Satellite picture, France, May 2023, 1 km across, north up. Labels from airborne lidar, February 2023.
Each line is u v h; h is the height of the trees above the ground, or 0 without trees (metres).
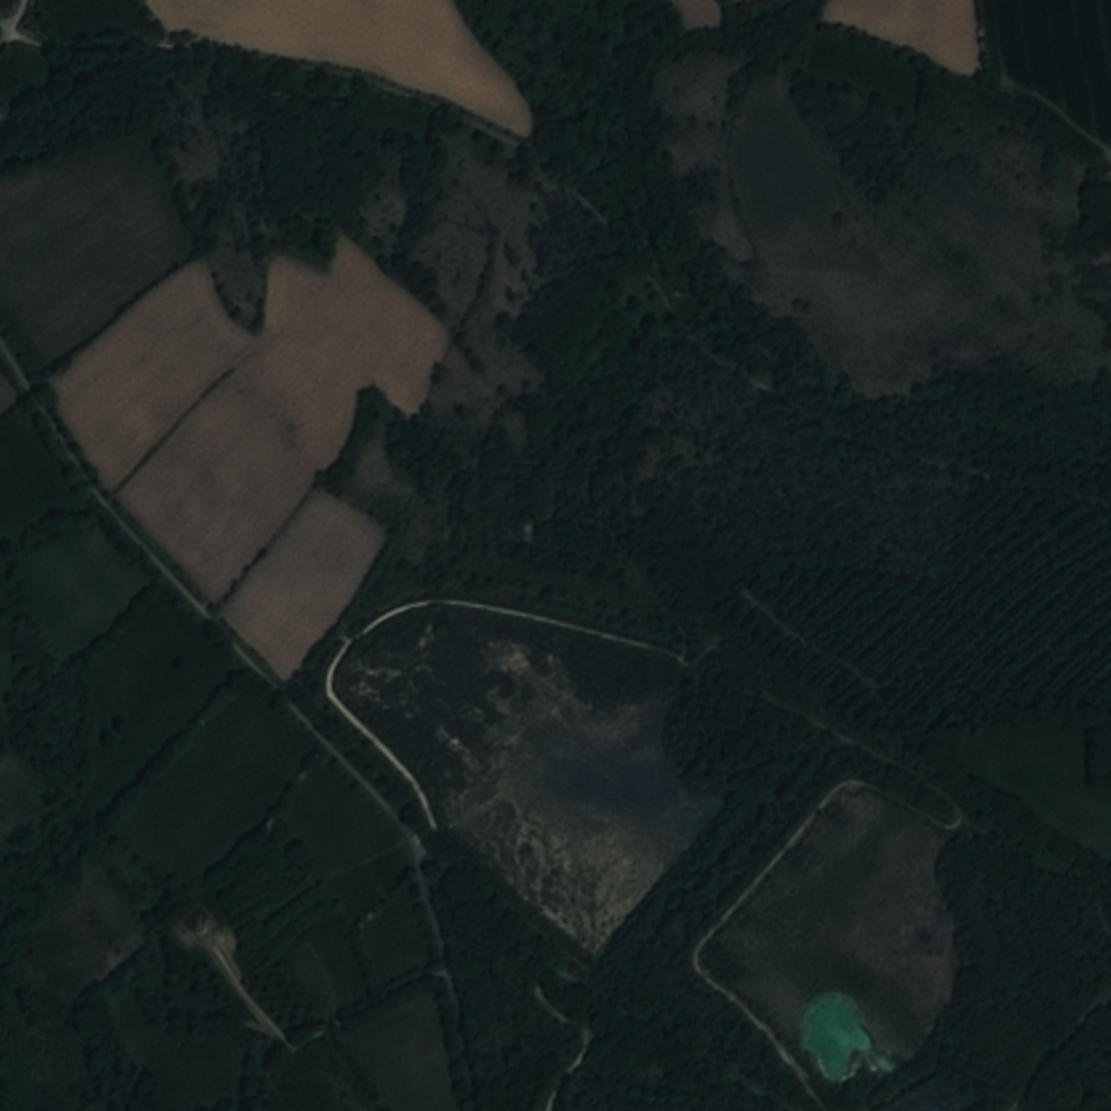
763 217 0
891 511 18
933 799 11
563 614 7
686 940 12
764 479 18
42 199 0
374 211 0
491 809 0
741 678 11
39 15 8
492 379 0
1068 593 16
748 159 0
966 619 19
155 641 0
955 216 0
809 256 0
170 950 11
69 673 14
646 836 0
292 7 0
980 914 16
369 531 0
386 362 0
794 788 13
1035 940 14
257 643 0
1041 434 17
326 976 0
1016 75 0
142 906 0
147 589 8
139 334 0
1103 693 17
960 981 12
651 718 0
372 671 0
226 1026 19
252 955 6
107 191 0
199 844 0
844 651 22
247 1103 15
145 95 19
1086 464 20
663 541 18
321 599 0
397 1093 0
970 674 15
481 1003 16
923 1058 9
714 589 22
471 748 0
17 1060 0
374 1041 0
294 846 14
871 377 0
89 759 12
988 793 13
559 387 13
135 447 0
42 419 16
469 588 7
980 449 21
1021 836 6
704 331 24
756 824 12
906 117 8
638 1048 18
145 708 0
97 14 0
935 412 23
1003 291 0
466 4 7
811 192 0
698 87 0
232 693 9
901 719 20
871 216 0
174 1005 9
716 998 7
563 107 10
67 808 17
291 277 0
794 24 15
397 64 0
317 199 20
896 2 0
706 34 10
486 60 0
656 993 14
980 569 20
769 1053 10
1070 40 0
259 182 11
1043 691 18
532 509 7
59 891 6
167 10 0
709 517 22
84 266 0
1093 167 8
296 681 6
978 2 7
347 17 0
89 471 16
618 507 15
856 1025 0
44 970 0
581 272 22
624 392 20
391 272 13
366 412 9
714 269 11
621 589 7
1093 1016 8
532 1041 7
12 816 0
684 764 7
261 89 8
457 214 0
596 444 6
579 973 10
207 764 0
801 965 0
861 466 21
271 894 7
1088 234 12
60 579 0
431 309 8
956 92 12
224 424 0
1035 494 19
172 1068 0
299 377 0
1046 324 0
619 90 17
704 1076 20
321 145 18
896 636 20
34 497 0
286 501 0
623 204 18
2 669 0
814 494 20
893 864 0
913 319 0
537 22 18
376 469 0
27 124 21
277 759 0
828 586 23
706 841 14
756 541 24
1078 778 0
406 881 9
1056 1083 11
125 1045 11
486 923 20
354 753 10
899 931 0
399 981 6
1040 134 10
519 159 11
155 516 0
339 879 0
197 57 16
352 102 13
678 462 12
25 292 0
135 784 9
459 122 13
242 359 0
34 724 10
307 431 0
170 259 0
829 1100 7
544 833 0
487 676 0
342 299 0
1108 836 0
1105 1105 9
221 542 0
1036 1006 13
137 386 0
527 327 20
